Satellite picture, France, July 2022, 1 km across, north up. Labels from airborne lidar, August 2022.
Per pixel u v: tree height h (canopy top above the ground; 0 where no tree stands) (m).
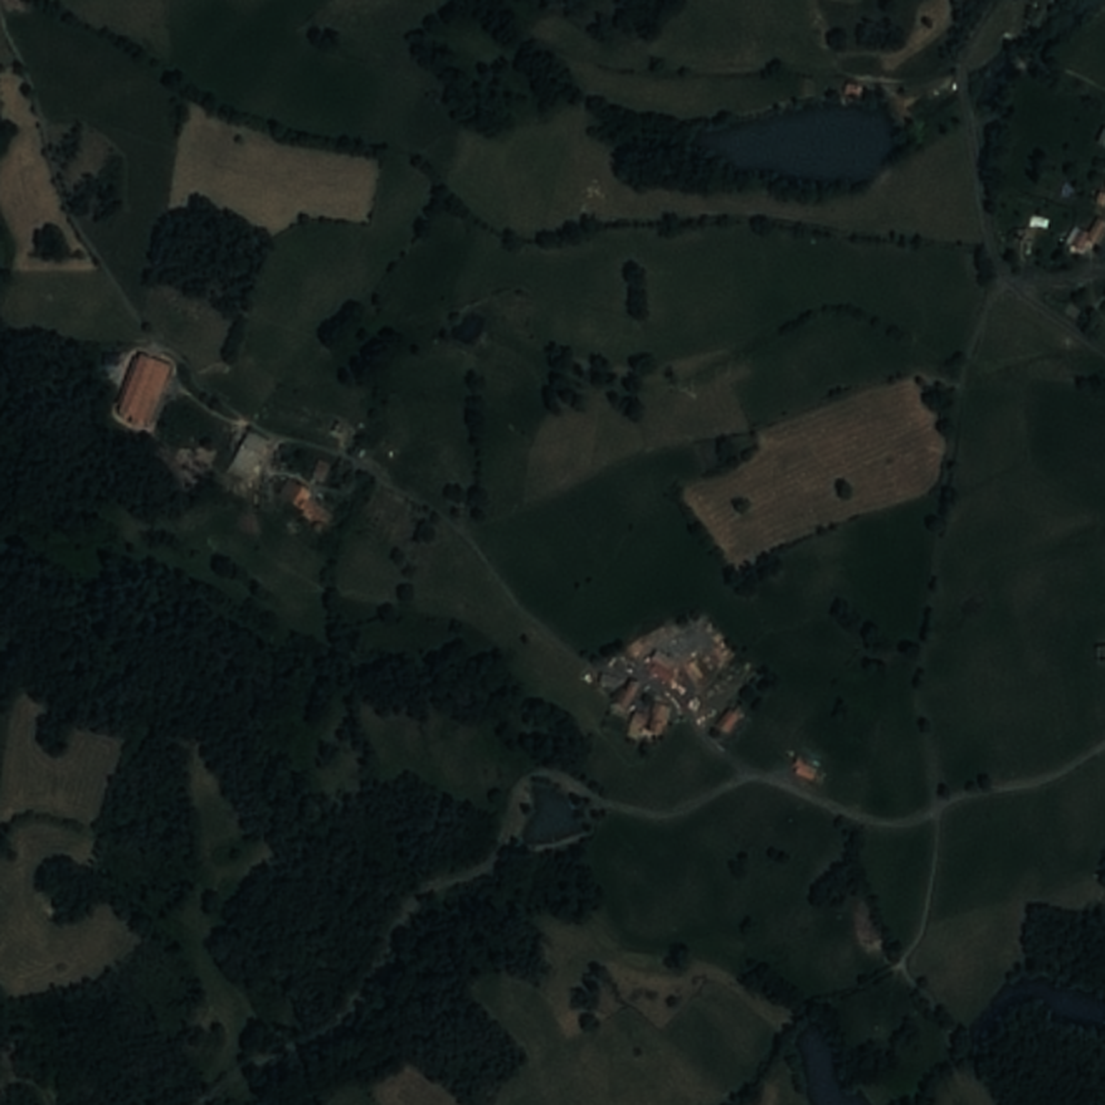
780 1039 14
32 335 16
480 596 0
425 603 0
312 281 0
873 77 0
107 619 23
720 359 0
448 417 0
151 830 21
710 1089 0
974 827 0
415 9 0
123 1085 16
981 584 0
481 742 0
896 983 0
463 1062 6
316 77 0
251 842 13
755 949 0
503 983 0
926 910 0
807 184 12
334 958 18
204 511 0
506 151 0
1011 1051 21
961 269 0
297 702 8
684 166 21
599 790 13
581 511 0
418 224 13
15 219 0
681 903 0
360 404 0
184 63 0
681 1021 0
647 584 0
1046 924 14
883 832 0
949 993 0
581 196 0
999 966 0
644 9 18
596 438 0
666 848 0
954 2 16
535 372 0
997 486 0
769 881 0
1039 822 0
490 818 10
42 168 0
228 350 12
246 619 8
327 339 23
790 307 0
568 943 0
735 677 0
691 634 0
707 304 0
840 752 0
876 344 0
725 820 0
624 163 23
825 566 0
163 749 8
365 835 8
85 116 0
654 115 10
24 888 0
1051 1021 26
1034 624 0
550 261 0
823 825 0
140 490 16
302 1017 26
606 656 14
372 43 0
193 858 14
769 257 0
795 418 0
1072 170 10
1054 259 11
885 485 0
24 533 9
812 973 0
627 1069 0
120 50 7
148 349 0
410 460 0
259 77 0
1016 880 0
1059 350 0
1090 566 0
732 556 0
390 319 0
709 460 0
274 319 0
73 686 23
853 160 0
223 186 0
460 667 21
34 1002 10
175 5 0
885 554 0
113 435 6
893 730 0
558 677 0
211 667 26
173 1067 20
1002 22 0
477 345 0
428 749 0
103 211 9
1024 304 0
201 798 0
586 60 0
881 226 0
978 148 0
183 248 18
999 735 0
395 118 0
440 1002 18
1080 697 0
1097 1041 25
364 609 0
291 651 8
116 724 19
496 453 0
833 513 0
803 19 0
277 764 20
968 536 0
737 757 0
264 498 0
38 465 23
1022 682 0
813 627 0
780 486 0
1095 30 0
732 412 0
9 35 0
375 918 9
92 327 0
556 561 0
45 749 14
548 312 0
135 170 0
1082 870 0
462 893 8
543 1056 0
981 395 0
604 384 14
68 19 17
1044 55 10
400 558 11
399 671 23
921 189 0
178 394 0
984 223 0
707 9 0
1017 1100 14
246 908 21
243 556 0
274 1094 30
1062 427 0
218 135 0
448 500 9
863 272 0
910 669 0
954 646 0
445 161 0
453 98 14
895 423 0
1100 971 20
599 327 0
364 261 0
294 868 21
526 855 27
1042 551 0
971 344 0
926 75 0
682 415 0
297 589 0
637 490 0
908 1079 0
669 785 0
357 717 10
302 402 0
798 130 0
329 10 0
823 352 0
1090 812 0
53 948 0
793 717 0
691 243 0
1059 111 0
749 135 0
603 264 0
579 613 0
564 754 16
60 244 7
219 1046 0
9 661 20
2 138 17
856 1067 14
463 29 0
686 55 0
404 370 0
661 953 0
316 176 0
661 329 0
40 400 24
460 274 0
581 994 13
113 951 0
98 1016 12
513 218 0
